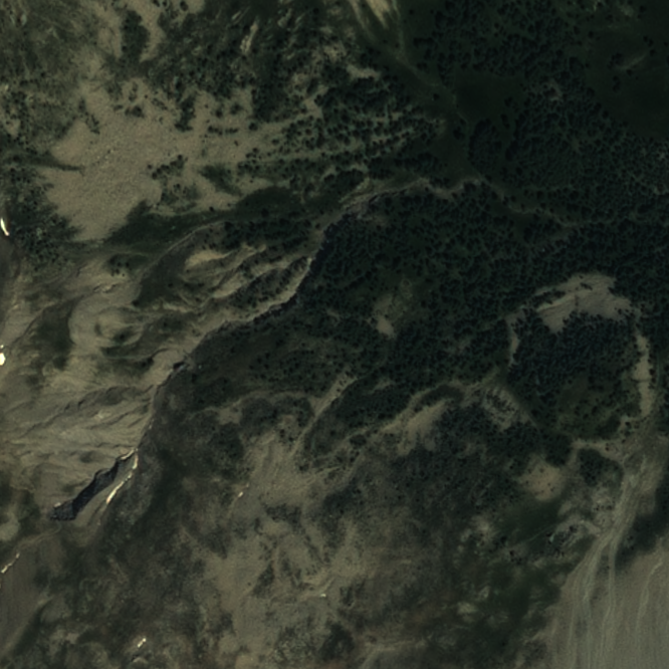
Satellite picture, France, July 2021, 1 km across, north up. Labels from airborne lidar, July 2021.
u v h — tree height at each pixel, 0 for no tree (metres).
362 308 9
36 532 0
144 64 0
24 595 0
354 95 15
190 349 0
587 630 0
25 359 0
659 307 13
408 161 18
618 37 0
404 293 0
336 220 0
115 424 0
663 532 0
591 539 0
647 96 0
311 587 0
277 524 0
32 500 0
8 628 0
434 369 10
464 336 10
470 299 13
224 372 0
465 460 11
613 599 0
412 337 8
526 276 16
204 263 0
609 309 0
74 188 0
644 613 0
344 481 0
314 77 8
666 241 16
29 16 0
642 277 10
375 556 0
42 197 0
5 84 0
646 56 0
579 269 14
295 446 0
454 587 0
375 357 13
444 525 0
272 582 0
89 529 0
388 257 18
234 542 0
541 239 19
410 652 0
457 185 0
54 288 0
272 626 0
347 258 15
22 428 0
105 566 0
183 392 0
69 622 0
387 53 0
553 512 0
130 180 0
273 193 0
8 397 0
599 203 13
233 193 0
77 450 0
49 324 0
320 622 0
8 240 0
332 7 0
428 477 8
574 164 20
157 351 0
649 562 0
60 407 0
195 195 0
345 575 0
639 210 12
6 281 0
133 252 0
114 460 0
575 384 0
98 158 0
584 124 24
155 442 0
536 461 0
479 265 21
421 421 0
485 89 0
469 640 0
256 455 0
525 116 19
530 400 8
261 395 0
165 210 0
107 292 0
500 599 0
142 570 0
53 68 0
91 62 0
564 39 22
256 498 0
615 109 0
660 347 14
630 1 7
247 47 0
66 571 0
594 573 0
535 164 21
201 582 0
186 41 0
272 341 0
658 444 0
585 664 0
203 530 0
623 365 7
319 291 11
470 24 21
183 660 0
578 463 0
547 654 0
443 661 0
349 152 14
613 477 0
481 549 0
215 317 0
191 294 0
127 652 0
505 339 6
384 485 0
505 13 17
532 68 25
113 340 0
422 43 18
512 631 0
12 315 0
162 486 0
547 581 0
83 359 0
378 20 0
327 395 0
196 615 0
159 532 0
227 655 0
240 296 7
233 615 0
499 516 0
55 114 0
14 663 0
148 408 0
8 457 0
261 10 0
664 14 0
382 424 0
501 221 21
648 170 9
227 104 0
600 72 0
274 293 8
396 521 0
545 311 0
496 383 0
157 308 0
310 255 0
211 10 0
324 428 0
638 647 0
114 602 0
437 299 7
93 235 0
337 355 9
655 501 0
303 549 0
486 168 20
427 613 0
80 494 0
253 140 0
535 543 0
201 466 0
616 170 7
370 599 0
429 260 12
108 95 0
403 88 13
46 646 0
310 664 0
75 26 0
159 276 0
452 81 18
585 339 10
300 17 0
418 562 0
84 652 0
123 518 0
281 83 10
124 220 0
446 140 0
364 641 0
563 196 13
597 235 12
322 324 12
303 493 0
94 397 0
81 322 0
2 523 0
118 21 0
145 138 0
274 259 7
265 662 0
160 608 0
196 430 0
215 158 0
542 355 7
